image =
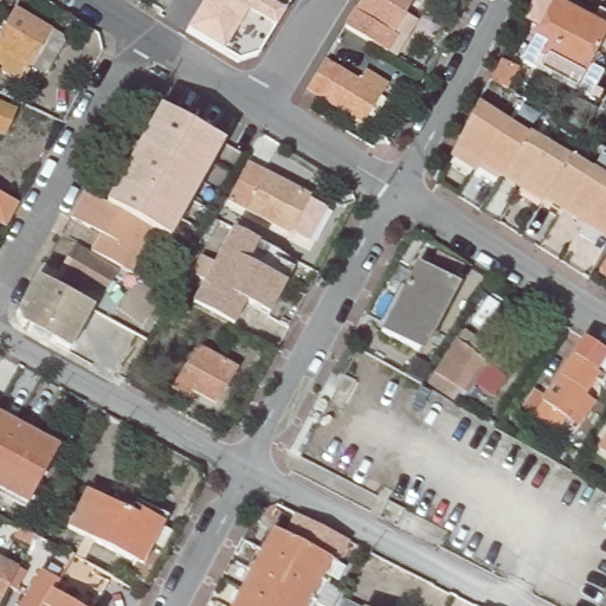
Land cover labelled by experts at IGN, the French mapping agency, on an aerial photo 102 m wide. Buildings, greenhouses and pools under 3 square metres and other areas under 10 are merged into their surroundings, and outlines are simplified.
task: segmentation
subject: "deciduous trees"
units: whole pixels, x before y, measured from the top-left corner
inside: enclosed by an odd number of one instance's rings
[[[426,156],[426,170],[438,170],[445,170],[445,168],[450,168],[452,156],[452,149],[450,144],[438,144],[431,149],[431,154]]]
[[[478,99],[469,85],[459,95],[457,109],[469,116]]]
[[[327,166],[312,180],[317,187],[312,194],[327,206],[331,208],[357,187],[357,178],[353,175],[353,170],[341,166]]]
[[[606,114],[582,111],[578,107],[573,109],[573,99],[580,99],[585,92],[585,88],[570,88],[544,71],[528,69],[523,64],[521,45],[528,43],[530,36],[528,12],[533,0],[511,0],[509,19],[499,26],[495,50],[485,57],[485,66],[495,69],[502,59],[516,64],[516,76],[511,78],[511,85],[514,92],[526,97],[526,104],[530,109],[549,114],[549,128],[568,137],[570,144],[566,147],[592,161],[601,173],[606,173]]]
[[[485,320],[483,327],[469,322],[464,331],[476,336],[476,350],[488,362],[497,365],[504,374],[518,376],[523,362],[537,355],[540,350],[554,350],[554,360],[559,365],[563,362],[561,346],[566,343],[570,329],[570,315],[563,315],[554,301],[549,301],[547,294],[535,291],[528,296],[516,296],[518,286],[511,284],[497,298],[499,305]]]
[[[83,481],[83,473],[92,466],[92,452],[99,445],[109,421],[109,407],[88,407],[88,398],[83,393],[66,388],[62,391],[62,398],[54,400],[54,405],[40,412],[40,417],[47,421],[45,431],[59,440],[59,450],[54,452],[47,476],[40,481],[36,497],[31,499],[24,507],[0,507],[0,528],[17,528],[31,530],[36,535],[45,540],[47,552],[62,556],[76,552],[78,544],[76,535],[69,530],[69,516],[76,511],[83,490],[95,488],[95,478]]]
[[[154,445],[149,436],[130,428],[130,417],[125,417],[118,426],[114,445],[114,473],[109,481],[137,488],[147,499],[168,499],[170,488],[185,483],[187,471],[196,466],[192,464],[192,459],[185,457],[180,466],[173,464],[170,452]]]
[[[0,73],[0,107],[14,107],[19,102],[28,104],[33,104],[43,95],[43,90],[31,83],[26,73]]]
[[[57,353],[54,357],[45,357],[38,365],[36,376],[40,381],[52,383],[62,374],[64,360]]]
[[[92,36],[92,28],[78,19],[71,26],[57,28],[59,33],[64,33],[66,43],[76,50],[83,47]]]
[[[445,38],[445,50],[450,54],[464,57],[466,45],[473,38],[473,31],[464,28]]]
[[[137,566],[133,566],[125,559],[116,559],[109,561],[104,570],[121,578],[130,587],[135,599],[147,597],[152,589],[142,580]]]
[[[426,17],[440,26],[457,24],[469,12],[471,0],[424,0],[419,14]]]
[[[208,407],[201,405],[194,412],[194,419],[199,419],[213,431],[213,438],[227,436],[234,426],[244,426],[249,436],[253,436],[260,428],[260,421],[253,417],[256,407],[251,405],[251,400],[256,395],[258,381],[265,376],[270,365],[260,357],[251,369],[237,372],[230,381],[225,405],[220,410]]]
[[[196,398],[175,388],[182,365],[173,362],[170,357],[147,360],[142,353],[130,362],[125,381],[133,388],[137,388],[147,400],[156,402],[159,407],[182,412]]]
[[[495,421],[497,417],[490,405],[473,395],[466,395],[457,398],[457,407],[464,407],[481,419]]]
[[[350,329],[346,334],[346,348],[360,353],[365,353],[369,350],[372,341],[369,327]]]
[[[154,305],[156,317],[168,327],[178,327],[178,322],[189,310],[187,265],[192,253],[187,246],[175,244],[173,232],[152,227],[144,237],[144,246],[137,256],[135,270],[135,275],[147,286],[147,298]]]
[[[244,334],[237,322],[227,322],[218,331],[218,339],[208,339],[204,346],[237,362],[244,360],[244,355],[237,353],[237,346],[237,341]]]
[[[426,606],[421,589],[410,589],[395,597],[398,606]]]
[[[62,90],[92,88],[92,76],[88,73],[88,69],[83,69],[73,59],[64,66]]]
[[[362,201],[353,204],[353,208],[355,218],[362,218],[362,220],[376,211],[376,196],[362,196]]]
[[[369,542],[362,542],[355,552],[350,552],[348,554],[343,561],[348,573],[343,578],[334,578],[331,582],[331,587],[336,587],[343,594],[343,599],[348,599],[357,594],[362,568],[372,554]]]
[[[128,173],[133,149],[142,133],[149,128],[156,107],[166,102],[154,90],[123,90],[118,85],[102,107],[85,114],[88,121],[71,140],[69,152],[69,166],[73,168],[76,189],[85,189],[95,196],[107,199],[109,192]]]
[[[324,263],[322,279],[327,284],[334,284],[341,279],[353,251],[362,239],[362,232],[357,227],[343,227],[343,230],[334,232],[327,241],[334,246],[334,258]]]
[[[270,507],[270,495],[265,490],[251,490],[237,507],[237,523],[244,528],[258,523],[263,511]]]
[[[315,97],[312,111],[324,116],[329,125],[339,130],[350,130],[367,142],[388,137],[398,149],[405,149],[414,140],[414,123],[426,121],[433,111],[431,107],[424,107],[421,99],[414,92],[414,88],[398,83],[391,88],[386,95],[386,104],[374,116],[367,116],[362,123],[355,121],[350,111],[329,104],[324,97]]]
[[[206,490],[223,492],[230,483],[230,476],[223,469],[199,471],[199,483],[192,497],[201,499]]]

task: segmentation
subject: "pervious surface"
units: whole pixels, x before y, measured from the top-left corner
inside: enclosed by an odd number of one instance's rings
[[[443,391],[440,386],[433,386],[428,374],[417,379],[412,381],[407,376],[395,376],[393,369],[381,367],[365,353],[360,353],[355,379],[357,388],[350,402],[329,407],[329,424],[312,424],[303,450],[308,455],[322,457],[324,462],[331,462],[339,469],[350,471],[355,483],[362,483],[365,492],[381,495],[383,490],[391,490],[391,502],[398,504],[402,511],[417,511],[426,516],[426,523],[431,526],[445,523],[447,533],[443,535],[443,549],[457,556],[459,566],[488,570],[499,580],[509,578],[511,573],[526,575],[535,585],[530,594],[549,606],[606,606],[606,492],[599,488],[589,488],[580,473],[573,473],[570,469],[561,466],[542,450],[528,445],[521,438],[511,438],[495,421],[481,419],[464,407],[457,407],[457,398]]]

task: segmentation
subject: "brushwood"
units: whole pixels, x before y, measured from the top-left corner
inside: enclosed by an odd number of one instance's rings
[[[561,459],[559,455],[570,445],[570,428],[566,424],[544,421],[537,417],[533,407],[526,407],[526,395],[537,386],[544,369],[549,365],[559,365],[554,360],[554,350],[540,350],[537,355],[523,362],[518,376],[511,383],[511,388],[499,398],[497,410],[504,412],[504,417],[497,417],[495,421],[511,438],[521,438],[528,445],[542,450],[561,466],[570,469],[573,473],[580,473],[589,488],[599,488],[606,492],[606,462],[599,457],[599,433],[592,426],[587,428],[578,459]]]
[[[414,57],[407,57],[405,52],[398,54],[391,64],[393,69],[398,69],[398,83],[414,88],[414,92],[421,99],[438,88],[436,69],[414,62]]]
[[[357,225],[360,225],[360,220],[362,220],[362,218],[355,218],[353,208],[348,208],[348,211],[346,211],[346,213],[343,213],[341,218],[336,218],[336,220],[334,220],[334,232],[343,230],[343,227],[357,227]]]
[[[315,282],[322,279],[324,263],[334,258],[334,246],[327,241],[317,253],[315,267],[308,275],[298,275],[296,279],[286,282],[282,301],[301,301],[301,296]]]
[[[388,57],[393,54],[374,43],[367,43],[362,45],[362,54],[374,59],[376,64],[379,59],[388,62]]]
[[[400,353],[407,353],[410,346],[386,336],[379,329],[379,324],[369,327],[372,341],[386,343]]]
[[[244,334],[237,341],[237,346],[253,348],[260,353],[260,357],[270,365],[279,355],[279,348],[270,346],[265,339]]]
[[[443,339],[443,343],[426,355],[431,369],[436,372],[445,353],[464,331],[469,322],[476,315],[483,298],[497,298],[511,284],[509,275],[502,275],[502,270],[490,263],[490,267],[481,277],[481,284],[471,291],[464,310],[447,331],[447,336]]]
[[[227,322],[211,317],[208,312],[194,305],[194,296],[199,289],[199,251],[204,246],[204,234],[218,220],[223,215],[225,201],[230,199],[232,187],[237,185],[241,170],[249,163],[253,156],[253,144],[239,152],[234,161],[218,156],[213,159],[213,163],[225,170],[225,180],[211,187],[213,199],[204,211],[199,211],[196,215],[185,213],[173,232],[175,244],[187,246],[192,253],[187,265],[189,310],[178,322],[178,327],[168,327],[156,317],[156,324],[149,329],[142,353],[147,360],[170,357],[173,362],[182,365],[187,362],[192,350],[204,346],[208,339],[218,339],[218,331]]]
[[[24,199],[36,185],[36,175],[43,166],[31,163],[24,170],[21,182],[14,185],[9,194],[14,199]]]
[[[518,232],[526,232],[528,220],[537,220],[537,211],[542,206],[533,204],[516,215]]]
[[[459,263],[462,256],[450,246],[431,241],[426,232],[405,230],[398,220],[391,220],[391,225],[386,227],[386,239],[395,246],[393,258],[383,272],[372,275],[372,296],[367,301],[367,312],[374,310],[381,291],[393,279],[402,263],[402,256],[412,241],[428,241],[431,251],[452,263]]]
[[[440,185],[445,187],[445,189],[450,189],[450,192],[457,192],[457,194],[462,194],[462,192],[464,192],[464,187],[459,185],[459,182],[457,182],[457,180],[452,180],[452,178],[450,178],[450,168],[445,168],[445,170],[438,170],[438,180],[440,180]]]
[[[142,580],[152,589],[163,566],[173,559],[173,554],[185,540],[185,516],[170,521],[168,526],[170,537]]]

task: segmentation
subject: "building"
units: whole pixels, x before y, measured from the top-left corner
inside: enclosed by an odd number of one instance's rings
[[[601,251],[594,265],[594,270],[601,270],[601,275],[606,275],[606,249]]]
[[[552,196],[549,208],[568,208],[578,213],[585,223],[594,225],[601,237],[606,237],[606,173],[601,173],[592,161],[566,147],[556,144],[537,130],[523,128],[497,107],[478,99],[469,116],[452,149],[452,156],[464,159],[466,163],[476,163],[478,168],[490,168],[495,178],[511,180],[521,194],[530,189],[540,196]]]
[[[260,239],[256,232],[241,225],[225,225],[218,220],[204,234],[204,246],[199,251],[199,289],[194,296],[194,305],[208,312],[211,317],[227,322],[237,322],[244,322],[251,298],[263,301],[265,305],[270,305],[270,310],[282,301],[286,282],[282,272],[253,258],[256,244]]]
[[[502,59],[495,69],[497,85],[511,85],[511,78],[516,76],[516,64]]]
[[[428,374],[433,386],[440,386],[443,391],[457,398],[466,395],[476,383],[476,374],[488,362],[476,350],[476,336],[464,331],[445,353],[436,372],[431,369],[426,355],[417,353],[410,365],[402,365],[402,369],[414,374],[417,379]]]
[[[24,199],[14,199],[9,194],[0,196],[0,225],[12,220],[12,215],[21,215]]]
[[[606,346],[589,334],[575,334],[570,329],[566,343],[561,346],[563,362],[559,365],[549,365],[544,369],[537,386],[526,395],[526,407],[533,407],[537,417],[544,421],[566,424],[570,428],[573,424],[582,424],[587,428],[592,426],[597,419],[594,402],[601,400],[601,388],[606,388]]]
[[[0,107],[0,121],[5,125],[12,125],[14,107]]]
[[[331,587],[331,582],[322,575],[331,568],[336,552],[348,554],[350,552],[348,537],[327,528],[324,523],[312,521],[298,511],[291,518],[286,514],[279,514],[279,523],[272,523],[267,533],[263,533],[263,549],[256,554],[256,561],[246,566],[246,578],[241,578],[241,587],[237,587],[237,599],[232,606],[357,606],[348,599],[343,599],[343,594],[336,587]]]
[[[443,339],[447,336],[447,331],[443,322],[459,301],[457,282],[462,277],[428,263],[421,251],[414,253],[412,265],[402,263],[393,279],[400,284],[402,291],[388,315],[388,329],[400,331],[419,343],[428,341],[431,336]]]
[[[85,606],[83,601],[73,599],[71,594],[57,587],[57,582],[64,575],[47,573],[45,568],[40,568],[36,580],[31,582],[31,592],[24,594],[19,606]]]
[[[410,40],[424,31],[421,21],[426,17],[419,14],[424,0],[357,0],[348,17],[348,24],[362,28],[367,33],[367,43],[374,43],[393,54],[398,54],[405,52],[410,47]]]
[[[45,431],[26,424],[24,419],[9,412],[0,414],[0,495],[5,490],[14,490],[31,499],[36,497],[40,481],[47,476],[54,452],[59,450],[59,440]]]
[[[391,88],[381,76],[372,71],[350,73],[348,69],[329,59],[320,66],[320,71],[312,76],[308,85],[308,92],[315,97],[324,97],[329,104],[350,111],[355,121],[362,123],[367,116],[374,116],[386,104],[386,95]]]
[[[282,0],[201,0],[187,31],[189,36],[211,45],[232,62],[246,62],[260,54],[279,17],[284,14]]]
[[[24,587],[26,568],[19,568],[14,561],[0,563],[0,587]]]
[[[220,410],[225,405],[230,381],[237,372],[237,362],[204,346],[192,350],[187,362],[182,365],[175,388],[196,398],[211,395],[213,402],[208,407]]]
[[[599,433],[599,457],[606,462],[606,426]]]
[[[76,215],[95,225],[102,225],[104,230],[95,234],[92,241],[78,239],[73,246],[73,256],[64,258],[66,265],[80,270],[90,279],[99,282],[104,289],[118,272],[116,265],[107,263],[111,256],[135,270],[137,256],[144,246],[144,237],[152,227],[173,232],[185,213],[208,166],[213,163],[213,159],[218,156],[225,133],[211,125],[208,121],[199,118],[196,114],[173,102],[166,102],[156,107],[149,128],[142,133],[133,149],[128,173],[109,192],[107,199],[95,196],[85,189],[76,189],[73,211]]]
[[[69,530],[76,535],[78,544],[80,540],[99,544],[109,549],[116,559],[125,559],[133,566],[137,566],[142,580],[170,537],[168,526],[154,509],[125,504],[95,488],[83,490],[76,511],[69,516]]]
[[[12,12],[0,21],[0,73],[26,73],[43,52],[57,52],[66,43],[64,33],[59,33],[57,28],[24,9],[21,2],[17,2]]]
[[[544,71],[570,88],[585,88],[585,92],[587,97],[599,97],[601,88],[606,88],[606,19],[594,17],[589,9],[570,0],[544,0],[549,5],[549,24],[542,33],[530,36],[528,43],[521,45],[523,64],[528,69]]]
[[[26,542],[28,547],[31,537],[36,535],[31,530],[17,528],[12,537]]]
[[[24,310],[28,320],[45,327],[47,331],[66,341],[73,341],[83,336],[83,331],[90,327],[88,315],[95,301],[83,291],[69,286],[66,282],[47,275],[38,284],[28,282],[24,298],[17,301],[17,308]]]
[[[312,232],[312,227],[320,220],[320,213],[327,206],[312,194],[265,168],[249,163],[241,170],[237,185],[232,187],[230,199],[241,204],[249,215],[265,220],[267,227],[277,223],[305,237]]]

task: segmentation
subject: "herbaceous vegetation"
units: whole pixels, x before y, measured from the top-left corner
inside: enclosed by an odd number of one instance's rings
[[[73,211],[66,211],[64,230],[52,237],[52,253],[62,253],[64,258],[73,256],[73,246],[78,239],[92,241],[95,234],[104,230],[102,225],[95,225],[76,215]]]
[[[28,104],[19,102],[14,107],[12,125],[5,125],[0,121],[0,196],[9,194],[14,185],[21,182],[24,170],[31,163],[43,166],[50,152],[45,147],[45,140],[50,135],[52,121],[28,111]]]
[[[334,365],[334,374],[346,374],[355,379],[360,353],[346,348],[341,353],[341,360]]]
[[[582,424],[573,424],[570,428],[570,445],[559,455],[561,459],[578,459],[587,428]]]
[[[0,21],[12,12],[17,2],[21,2],[24,9],[57,28],[71,26],[78,19],[69,14],[69,0],[0,0]]]
[[[114,473],[114,445],[118,426],[109,421],[99,445],[92,452],[92,466],[83,473],[83,481],[95,478],[95,488],[125,504],[154,509],[168,526],[170,521],[185,516],[192,509],[192,497],[199,483],[199,471],[196,466],[187,471],[185,483],[170,488],[168,499],[147,499],[137,488],[109,481]]]
[[[594,402],[597,419],[592,426],[599,433],[606,426],[606,388],[601,388],[601,400]]]
[[[28,547],[26,542],[12,537],[17,528],[0,528],[0,563],[14,561],[19,568],[26,568],[31,563]]]

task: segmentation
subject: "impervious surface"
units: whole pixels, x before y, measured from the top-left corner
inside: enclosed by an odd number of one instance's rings
[[[499,305],[497,298],[483,298],[476,315],[469,322],[483,327],[485,320]]]
[[[47,573],[64,575],[57,582],[57,587],[71,594],[73,599],[83,601],[85,606],[232,606],[237,599],[237,587],[241,587],[241,578],[246,578],[246,566],[256,561],[256,554],[263,549],[263,533],[267,533],[272,523],[279,523],[279,514],[286,514],[291,518],[298,511],[312,521],[324,523],[327,528],[348,537],[350,552],[355,552],[362,542],[369,542],[372,554],[362,568],[357,594],[348,599],[357,606],[398,606],[395,597],[410,589],[421,589],[426,606],[549,606],[530,594],[535,585],[526,575],[511,573],[509,578],[499,580],[488,570],[459,566],[457,556],[443,549],[443,535],[447,533],[445,523],[431,526],[426,523],[426,516],[417,511],[402,511],[398,504],[391,502],[391,490],[383,490],[381,495],[365,492],[362,483],[355,483],[350,471],[339,469],[331,462],[324,462],[322,457],[308,455],[303,450],[312,424],[329,424],[329,407],[350,402],[357,388],[355,379],[346,374],[334,374],[334,365],[341,360],[341,353],[346,348],[346,334],[350,329],[369,327],[379,324],[379,329],[386,336],[410,346],[407,353],[400,353],[386,343],[372,341],[369,350],[365,353],[381,367],[393,369],[395,376],[407,376],[412,381],[417,379],[414,374],[402,369],[402,365],[410,365],[417,353],[426,355],[443,343],[443,339],[431,336],[428,341],[419,343],[400,331],[388,329],[388,315],[402,291],[400,284],[393,279],[381,291],[374,310],[367,312],[367,301],[372,296],[372,275],[383,272],[393,258],[395,246],[386,239],[386,227],[391,225],[391,220],[398,220],[405,230],[426,232],[431,241],[450,246],[462,256],[459,263],[452,263],[431,251],[428,241],[412,241],[402,256],[402,263],[412,265],[414,253],[421,251],[428,263],[462,277],[457,282],[459,301],[443,322],[447,331],[464,310],[471,291],[481,284],[481,277],[490,267],[490,263],[502,270],[502,275],[509,275],[511,284],[518,286],[516,296],[528,296],[535,291],[547,294],[549,301],[554,301],[563,315],[570,315],[570,329],[575,334],[589,334],[606,346],[606,275],[601,275],[601,270],[594,270],[594,265],[601,251],[606,249],[606,237],[601,237],[594,225],[585,223],[578,213],[568,208],[549,208],[552,196],[540,196],[530,189],[521,194],[511,180],[495,178],[490,168],[478,168],[476,163],[466,163],[464,159],[452,156],[450,168],[450,178],[452,178],[452,180],[457,180],[457,182],[459,182],[459,185],[464,187],[464,192],[462,192],[462,194],[457,194],[457,192],[450,192],[450,189],[445,189],[445,187],[440,185],[440,180],[438,180],[438,170],[426,170],[426,156],[431,154],[431,149],[438,144],[450,144],[452,149],[469,116],[457,109],[459,95],[469,85],[478,99],[497,107],[523,128],[537,130],[556,144],[566,147],[570,144],[568,137],[549,128],[549,114],[530,109],[526,104],[526,97],[514,92],[511,85],[497,85],[495,69],[485,66],[485,57],[495,50],[499,26],[509,19],[511,0],[471,0],[469,12],[457,24],[440,26],[426,17],[421,21],[424,31],[410,40],[410,47],[405,52],[407,57],[414,57],[414,62],[436,69],[438,88],[421,99],[424,107],[431,107],[433,111],[426,121],[414,123],[414,140],[405,149],[398,149],[388,137],[367,142],[350,130],[339,130],[329,125],[324,116],[312,111],[315,97],[308,92],[308,85],[312,76],[320,71],[320,66],[329,59],[348,69],[350,73],[372,71],[381,76],[391,88],[398,83],[398,69],[393,69],[391,64],[398,54],[393,54],[388,57],[388,62],[379,59],[376,64],[374,59],[362,54],[362,45],[367,43],[367,33],[362,28],[348,24],[348,17],[357,0],[282,0],[284,14],[279,17],[260,54],[246,62],[232,62],[211,45],[189,36],[187,31],[201,0],[69,0],[69,14],[78,19],[92,28],[92,36],[83,47],[76,50],[66,43],[57,52],[43,52],[26,73],[31,83],[43,90],[43,95],[33,104],[28,104],[28,111],[52,121],[50,135],[45,140],[45,147],[50,152],[43,166],[36,175],[36,185],[24,199],[21,215],[12,215],[12,220],[0,225],[0,414],[9,412],[24,419],[26,424],[45,431],[47,421],[40,417],[40,412],[54,405],[54,400],[62,398],[62,391],[66,388],[83,393],[88,398],[88,407],[109,407],[109,421],[118,426],[125,417],[130,417],[130,428],[149,436],[154,445],[170,452],[173,464],[180,466],[185,457],[192,459],[192,464],[196,466],[199,471],[223,469],[230,476],[230,483],[223,492],[206,490],[201,499],[192,497],[192,509],[185,516],[185,540],[173,554],[173,559],[163,566],[152,589],[147,597],[135,599],[130,587],[121,578],[104,570],[109,561],[116,559],[109,549],[99,544],[80,540],[78,544],[76,552],[62,556],[47,552],[45,540],[36,535],[31,537],[28,547],[31,563],[26,568],[24,587],[0,587],[0,606],[19,606],[24,594],[31,592],[31,582],[36,580],[40,568],[45,568]],[[473,38],[466,45],[464,57],[450,54],[445,50],[445,38],[464,28],[473,31]],[[62,90],[64,66],[73,59],[83,69],[88,69],[88,73],[92,76],[92,88]],[[166,102],[173,102],[196,114],[199,118],[208,121],[211,125],[225,133],[218,156],[234,161],[239,152],[253,144],[253,156],[249,163],[265,168],[312,194],[317,187],[312,180],[327,166],[341,166],[353,170],[353,175],[357,178],[357,187],[331,208],[327,206],[320,213],[320,220],[312,227],[312,232],[305,237],[277,223],[267,227],[265,220],[249,215],[241,204],[230,199],[225,201],[223,215],[218,220],[225,225],[241,225],[256,232],[260,239],[256,244],[253,258],[282,272],[286,282],[296,279],[298,275],[308,275],[315,267],[317,253],[327,241],[334,232],[334,220],[336,220],[336,218],[341,218],[343,213],[346,213],[346,211],[348,211],[348,208],[353,208],[353,204],[362,201],[362,196],[376,196],[376,211],[362,220],[360,220],[360,225],[357,225],[357,227],[362,232],[362,239],[353,251],[341,279],[334,284],[327,284],[322,279],[315,282],[301,296],[301,301],[282,301],[270,310],[270,305],[265,305],[263,301],[251,298],[244,322],[237,322],[244,334],[265,339],[270,346],[279,348],[279,355],[270,365],[265,376],[258,381],[256,395],[251,400],[251,405],[256,407],[253,417],[260,421],[260,428],[253,436],[249,436],[244,426],[234,426],[227,436],[213,438],[213,431],[199,419],[194,419],[194,412],[201,405],[208,407],[213,402],[211,395],[196,398],[182,412],[159,407],[156,402],[147,400],[137,388],[133,388],[125,381],[130,362],[142,353],[149,329],[156,324],[156,317],[154,305],[147,298],[147,286],[135,275],[135,270],[111,256],[107,263],[116,265],[118,272],[104,289],[99,282],[90,279],[80,270],[66,265],[64,258],[62,253],[52,253],[52,237],[64,230],[66,211],[73,211],[76,189],[73,168],[69,166],[69,152],[71,140],[88,121],[85,114],[102,107],[118,85],[123,90],[154,90]],[[533,204],[542,206],[537,211],[537,220],[528,220],[526,232],[518,232],[516,215]],[[73,341],[66,341],[47,331],[45,327],[28,320],[24,310],[17,308],[17,301],[24,298],[28,282],[38,284],[47,275],[66,282],[69,286],[83,291],[95,301],[88,315],[90,327],[83,331],[83,336]],[[36,376],[38,365],[45,357],[54,357],[57,353],[64,360],[62,374],[52,383],[40,381]],[[237,507],[251,490],[265,490],[270,495],[270,507],[263,511],[258,523],[244,528],[237,523]]]
[[[244,355],[244,360],[237,362],[237,372],[251,369],[260,357],[260,353],[253,348],[237,346],[237,353]]]
[[[606,0],[570,0],[589,9],[594,17],[606,19]]]
[[[334,578],[343,578],[348,573],[343,561],[348,554],[336,552],[331,568],[322,575],[331,582]]]
[[[544,0],[533,0],[528,12],[530,36],[542,33],[549,24],[549,5]]]
[[[0,495],[0,507],[24,507],[31,499],[14,490],[5,490]]]
[[[606,114],[606,88],[601,88],[599,97],[587,97],[585,92],[580,99],[573,99],[573,109],[578,107],[582,111]]]
[[[225,170],[213,163],[208,166],[185,213],[196,215],[199,211],[204,211],[213,199],[211,187],[225,180]]]
[[[497,417],[504,417],[504,412],[497,410],[499,398],[511,388],[511,383],[518,376],[504,374],[497,365],[488,362],[476,374],[476,383],[466,395],[473,395],[490,405]]]

